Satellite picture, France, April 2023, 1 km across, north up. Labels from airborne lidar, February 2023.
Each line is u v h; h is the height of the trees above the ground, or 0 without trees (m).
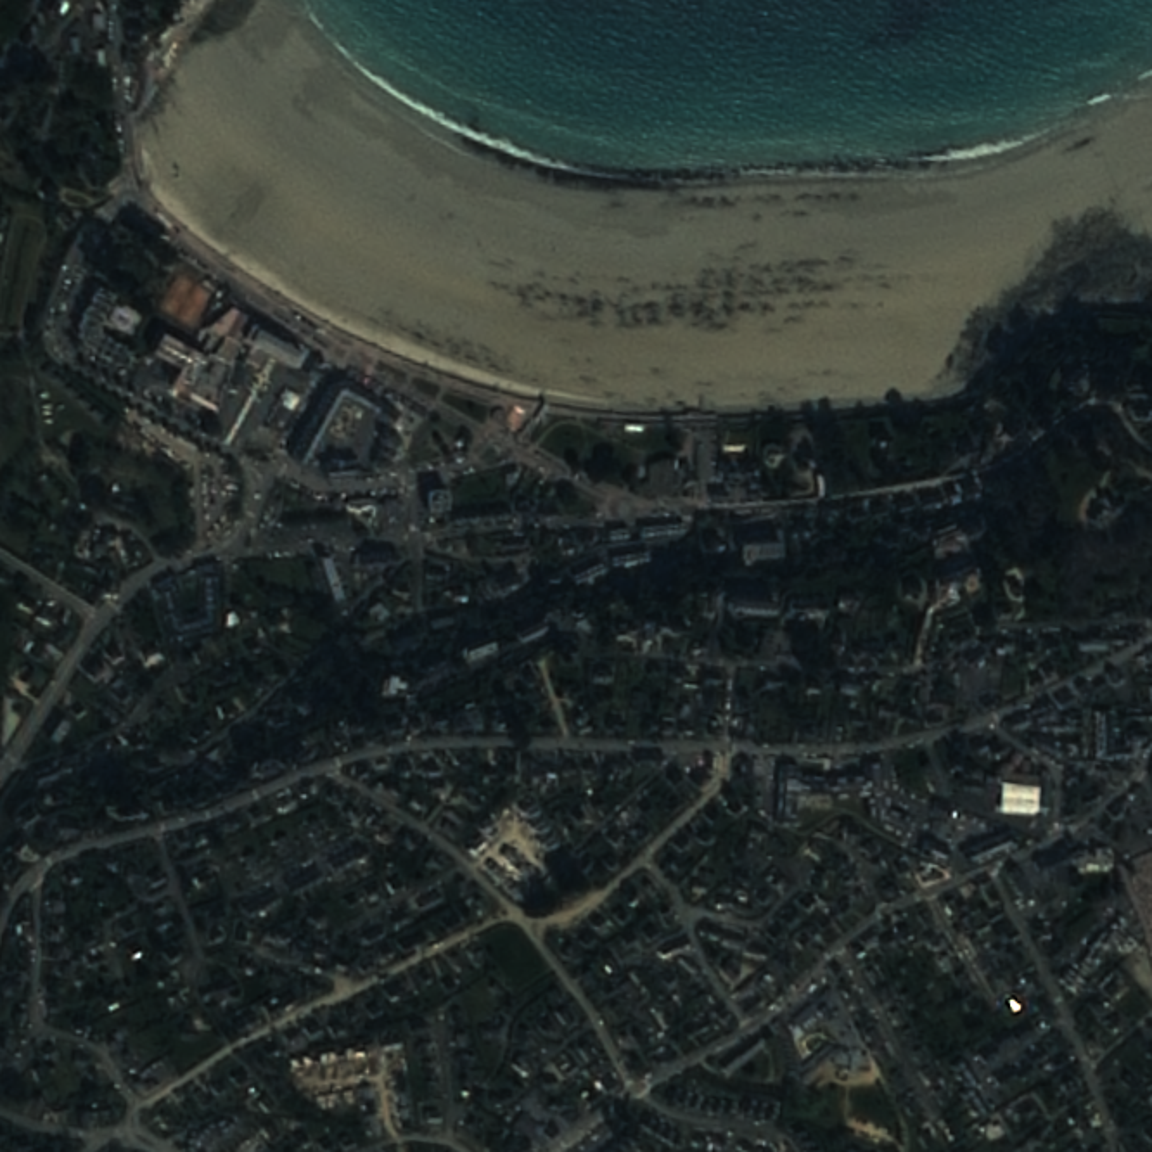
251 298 0
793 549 15
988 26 0
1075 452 16
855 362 0
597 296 0
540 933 0
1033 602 8
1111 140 0
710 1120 0
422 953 0
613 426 0
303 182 0
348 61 0
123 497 10
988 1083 0
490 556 0
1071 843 8
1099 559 26
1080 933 0
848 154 0
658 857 0
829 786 0
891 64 0
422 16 0
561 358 0
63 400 0
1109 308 8
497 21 0
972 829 0
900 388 0
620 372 0
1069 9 0
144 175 0
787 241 0
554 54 0
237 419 0
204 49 0
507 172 0
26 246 0
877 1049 0
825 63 0
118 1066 0
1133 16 0
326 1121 8
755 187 0
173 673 0
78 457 13
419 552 0
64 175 8
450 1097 0
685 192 0
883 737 12
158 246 26
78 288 0
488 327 0
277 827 0
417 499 0
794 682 16
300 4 0
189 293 0
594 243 0
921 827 0
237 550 0
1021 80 0
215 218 0
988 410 0
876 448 0
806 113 0
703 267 0
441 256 0
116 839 0
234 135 0
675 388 0
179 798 6
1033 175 0
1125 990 0
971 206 0
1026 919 0
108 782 23
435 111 0
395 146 0
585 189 0
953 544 0
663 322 0
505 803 8
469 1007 0
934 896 0
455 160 0
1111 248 0
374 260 0
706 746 0
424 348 0
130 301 25
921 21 0
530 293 0
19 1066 0
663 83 0
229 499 0
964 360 0
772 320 0
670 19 0
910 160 0
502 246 0
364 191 0
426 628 7
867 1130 0
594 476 10
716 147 0
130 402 9
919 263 0
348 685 21
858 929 0
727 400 0
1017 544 17
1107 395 22
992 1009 10
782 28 0
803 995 0
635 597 18
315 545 0
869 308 0
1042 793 0
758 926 0
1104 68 0
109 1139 0
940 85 0
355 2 0
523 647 6
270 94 0
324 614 14
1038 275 0
